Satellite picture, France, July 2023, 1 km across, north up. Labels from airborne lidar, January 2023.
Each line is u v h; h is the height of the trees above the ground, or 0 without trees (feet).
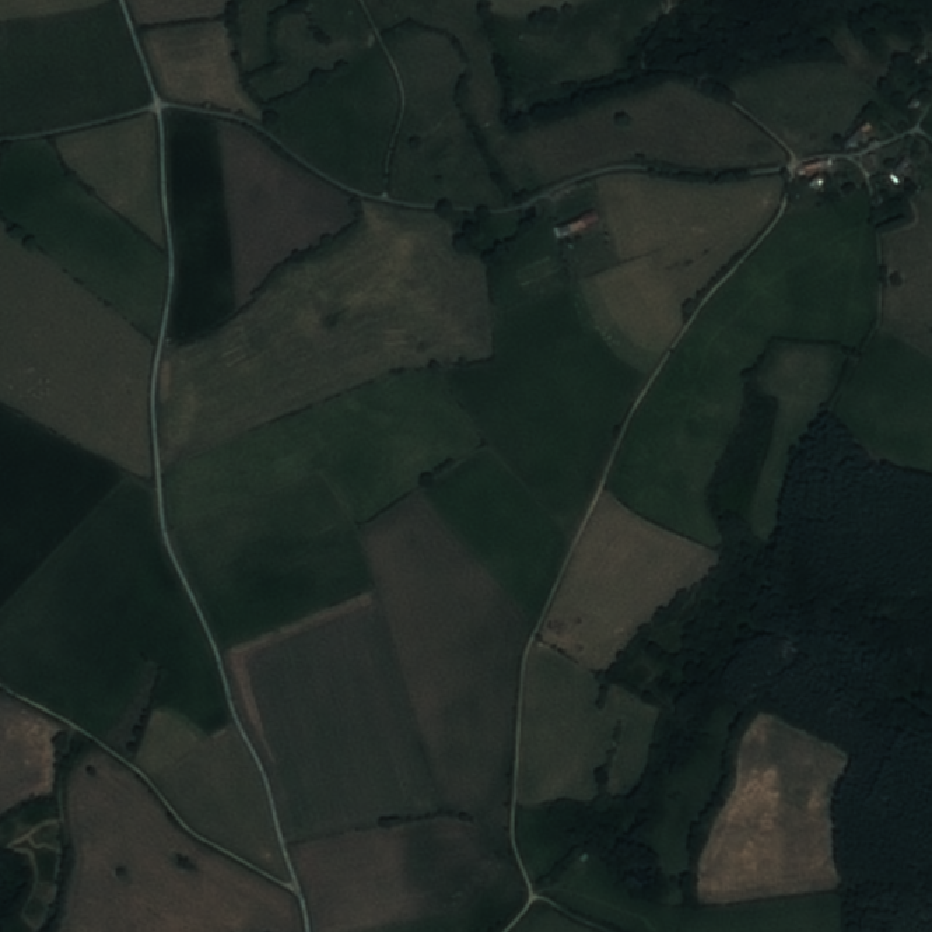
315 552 0
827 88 0
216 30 0
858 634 74
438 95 0
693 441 0
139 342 0
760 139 0
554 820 29
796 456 45
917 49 26
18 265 0
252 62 0
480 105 0
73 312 0
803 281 0
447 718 0
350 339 0
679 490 0
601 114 0
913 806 93
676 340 0
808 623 61
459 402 0
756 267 0
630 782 0
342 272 0
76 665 0
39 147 0
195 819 0
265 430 0
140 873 0
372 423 0
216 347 0
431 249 0
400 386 0
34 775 0
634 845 65
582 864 0
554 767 0
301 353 0
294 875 0
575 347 0
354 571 0
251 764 0
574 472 0
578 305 0
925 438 0
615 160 0
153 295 0
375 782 0
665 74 59
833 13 59
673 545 0
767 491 0
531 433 0
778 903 0
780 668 60
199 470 0
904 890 34
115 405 0
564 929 0
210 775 0
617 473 0
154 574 0
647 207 0
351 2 0
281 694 0
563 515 0
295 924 0
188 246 0
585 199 0
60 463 0
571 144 0
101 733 0
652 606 0
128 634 0
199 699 0
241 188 0
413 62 0
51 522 0
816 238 0
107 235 0
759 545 25
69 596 0
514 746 0
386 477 0
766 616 66
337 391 0
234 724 0
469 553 0
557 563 0
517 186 0
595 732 0
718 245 0
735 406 0
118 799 0
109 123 0
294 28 0
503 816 0
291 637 0
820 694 66
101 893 0
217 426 0
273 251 0
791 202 21
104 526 0
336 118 0
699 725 25
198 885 0
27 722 0
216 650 0
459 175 0
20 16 0
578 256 0
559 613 0
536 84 0
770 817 0
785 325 0
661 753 28
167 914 0
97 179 0
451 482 0
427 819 21
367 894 0
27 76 0
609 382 0
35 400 0
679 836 0
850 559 70
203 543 0
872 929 44
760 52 68
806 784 0
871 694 94
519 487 0
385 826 42
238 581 0
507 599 0
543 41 0
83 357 0
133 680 0
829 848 0
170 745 0
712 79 69
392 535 0
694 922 0
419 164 0
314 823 0
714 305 0
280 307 0
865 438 0
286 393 0
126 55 0
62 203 0
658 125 0
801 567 68
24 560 0
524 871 0
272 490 0
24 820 0
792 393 0
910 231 0
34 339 0
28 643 0
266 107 31
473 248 35
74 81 0
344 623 0
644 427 0
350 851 0
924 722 88
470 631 0
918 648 58
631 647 30
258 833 0
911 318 0
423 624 0
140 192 0
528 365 0
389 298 0
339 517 0
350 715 0
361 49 0
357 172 0
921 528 72
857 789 81
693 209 0
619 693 0
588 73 0
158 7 0
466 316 0
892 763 87
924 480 72
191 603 0
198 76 0
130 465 0
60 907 30
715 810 40
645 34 32
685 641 47
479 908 0
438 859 0
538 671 0
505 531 0
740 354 0
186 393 0
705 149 0
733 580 47
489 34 24
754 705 48
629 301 0
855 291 0
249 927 0
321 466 0
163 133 0
